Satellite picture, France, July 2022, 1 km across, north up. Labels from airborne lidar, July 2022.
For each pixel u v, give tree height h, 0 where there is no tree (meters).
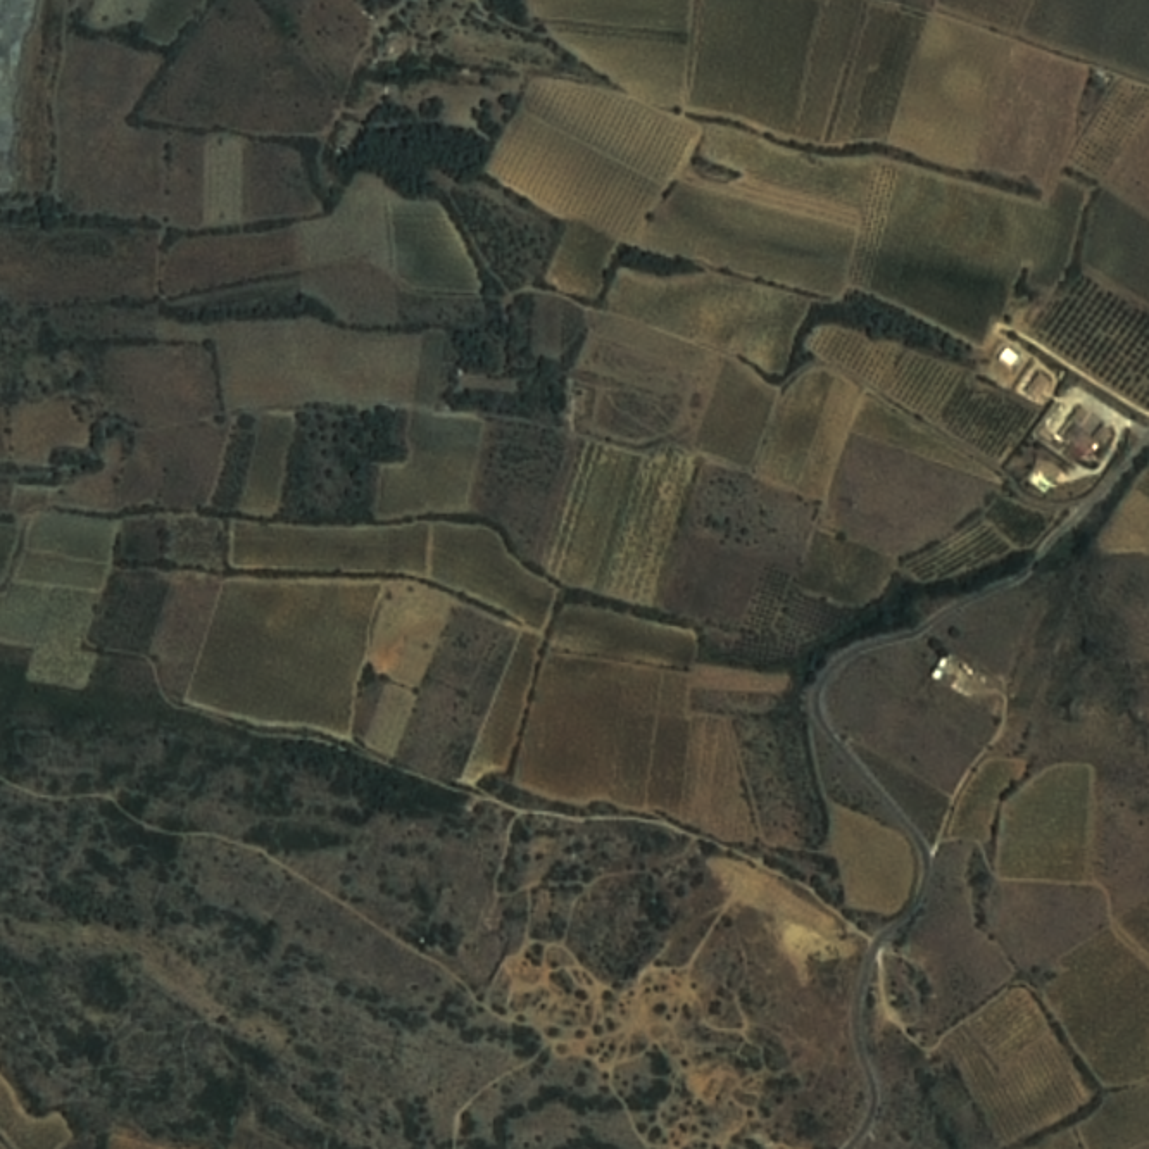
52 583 0
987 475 0
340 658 0
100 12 0
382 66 7
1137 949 0
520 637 0
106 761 0
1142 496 0
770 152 0
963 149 0
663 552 0
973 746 0
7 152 0
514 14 9
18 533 0
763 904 0
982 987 0
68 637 0
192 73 0
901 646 0
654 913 7
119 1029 0
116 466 0
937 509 0
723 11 0
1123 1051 0
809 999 0
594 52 0
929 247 0
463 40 0
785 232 0
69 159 0
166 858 0
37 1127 0
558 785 0
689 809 0
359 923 0
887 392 0
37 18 0
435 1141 0
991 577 14
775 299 0
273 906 0
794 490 0
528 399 9
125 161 0
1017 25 0
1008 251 0
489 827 0
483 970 0
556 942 0
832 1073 0
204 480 0
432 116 9
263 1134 0
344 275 0
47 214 11
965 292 0
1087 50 0
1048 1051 0
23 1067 0
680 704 0
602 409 0
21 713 0
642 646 0
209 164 0
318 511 6
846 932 0
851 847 0
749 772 0
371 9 8
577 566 0
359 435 11
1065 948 0
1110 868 0
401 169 11
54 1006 0
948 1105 0
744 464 0
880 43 0
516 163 0
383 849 0
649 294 0
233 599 0
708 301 0
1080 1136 0
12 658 0
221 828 0
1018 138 0
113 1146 0
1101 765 0
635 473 0
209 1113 0
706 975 0
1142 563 0
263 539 0
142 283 0
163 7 0
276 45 0
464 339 11
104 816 0
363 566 0
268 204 0
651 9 0
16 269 0
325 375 0
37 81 0
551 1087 0
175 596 0
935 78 0
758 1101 0
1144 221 0
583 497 0
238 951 0
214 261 0
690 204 0
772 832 0
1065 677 0
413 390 0
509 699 0
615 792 0
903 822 0
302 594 0
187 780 0
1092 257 0
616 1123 0
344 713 0
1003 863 0
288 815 0
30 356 0
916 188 0
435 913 0
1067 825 0
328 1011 0
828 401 0
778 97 0
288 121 0
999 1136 0
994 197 0
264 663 0
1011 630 0
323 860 0
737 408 0
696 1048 0
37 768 0
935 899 0
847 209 0
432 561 0
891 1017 0
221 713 0
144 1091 0
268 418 0
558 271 0
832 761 0
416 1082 0
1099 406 0
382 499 0
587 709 0
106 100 0
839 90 0
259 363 0
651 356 0
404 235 0
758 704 0
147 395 0
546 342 0
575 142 0
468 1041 0
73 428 0
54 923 0
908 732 0
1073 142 0
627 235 0
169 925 0
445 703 0
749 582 0
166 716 0
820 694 0
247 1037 0
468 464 0
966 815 0
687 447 0
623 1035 0
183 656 0
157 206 0
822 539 0
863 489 0
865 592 0
